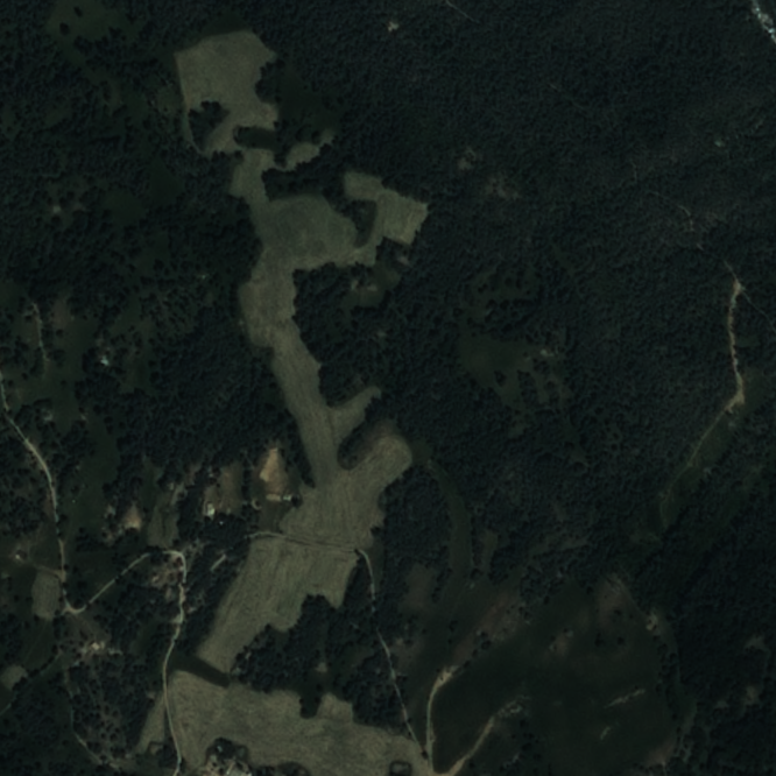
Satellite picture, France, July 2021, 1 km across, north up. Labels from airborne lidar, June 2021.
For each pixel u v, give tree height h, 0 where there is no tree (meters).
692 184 15
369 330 18
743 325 12
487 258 12
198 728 0
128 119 10
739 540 25
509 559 15
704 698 10
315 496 0
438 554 11
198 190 16
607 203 16
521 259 14
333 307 20
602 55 12
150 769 0
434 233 18
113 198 0
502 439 12
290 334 0
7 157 10
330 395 15
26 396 0
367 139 17
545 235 19
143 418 22
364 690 11
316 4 14
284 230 0
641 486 11
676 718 10
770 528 21
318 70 8
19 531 10
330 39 11
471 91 11
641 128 10
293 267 0
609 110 12
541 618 0
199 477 10
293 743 0
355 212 15
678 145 6
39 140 14
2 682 0
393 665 7
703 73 17
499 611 0
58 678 11
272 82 8
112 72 9
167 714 0
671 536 13
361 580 15
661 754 0
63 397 0
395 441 0
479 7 8
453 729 0
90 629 0
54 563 0
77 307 12
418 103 14
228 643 0
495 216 6
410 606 0
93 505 0
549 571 14
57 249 20
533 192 12
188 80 0
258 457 12
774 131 11
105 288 17
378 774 0
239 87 0
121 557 8
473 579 7
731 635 16
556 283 18
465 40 11
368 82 19
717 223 10
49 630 0
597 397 18
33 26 22
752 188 11
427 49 10
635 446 18
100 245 15
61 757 0
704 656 23
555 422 19
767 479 14
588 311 14
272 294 0
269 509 0
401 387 16
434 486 14
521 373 13
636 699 0
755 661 17
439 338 11
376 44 18
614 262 16
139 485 21
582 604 0
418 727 0
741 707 12
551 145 16
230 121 0
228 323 19
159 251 0
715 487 17
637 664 0
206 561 13
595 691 0
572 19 9
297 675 10
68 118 7
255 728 0
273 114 0
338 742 0
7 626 18
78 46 9
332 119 0
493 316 10
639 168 8
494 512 16
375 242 0
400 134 22
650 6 14
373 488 0
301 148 0
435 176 18
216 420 17
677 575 7
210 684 0
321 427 0
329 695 0
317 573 0
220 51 0
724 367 22
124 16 0
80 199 7
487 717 0
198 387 22
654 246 11
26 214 11
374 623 11
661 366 12
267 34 13
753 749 19
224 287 9
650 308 14
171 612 6
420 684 0
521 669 0
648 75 16
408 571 10
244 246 14
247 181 0
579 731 0
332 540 0
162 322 24
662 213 11
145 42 15
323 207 0
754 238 23
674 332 10
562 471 15
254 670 13
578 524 9
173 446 15
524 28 15
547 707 0
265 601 0
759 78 12
